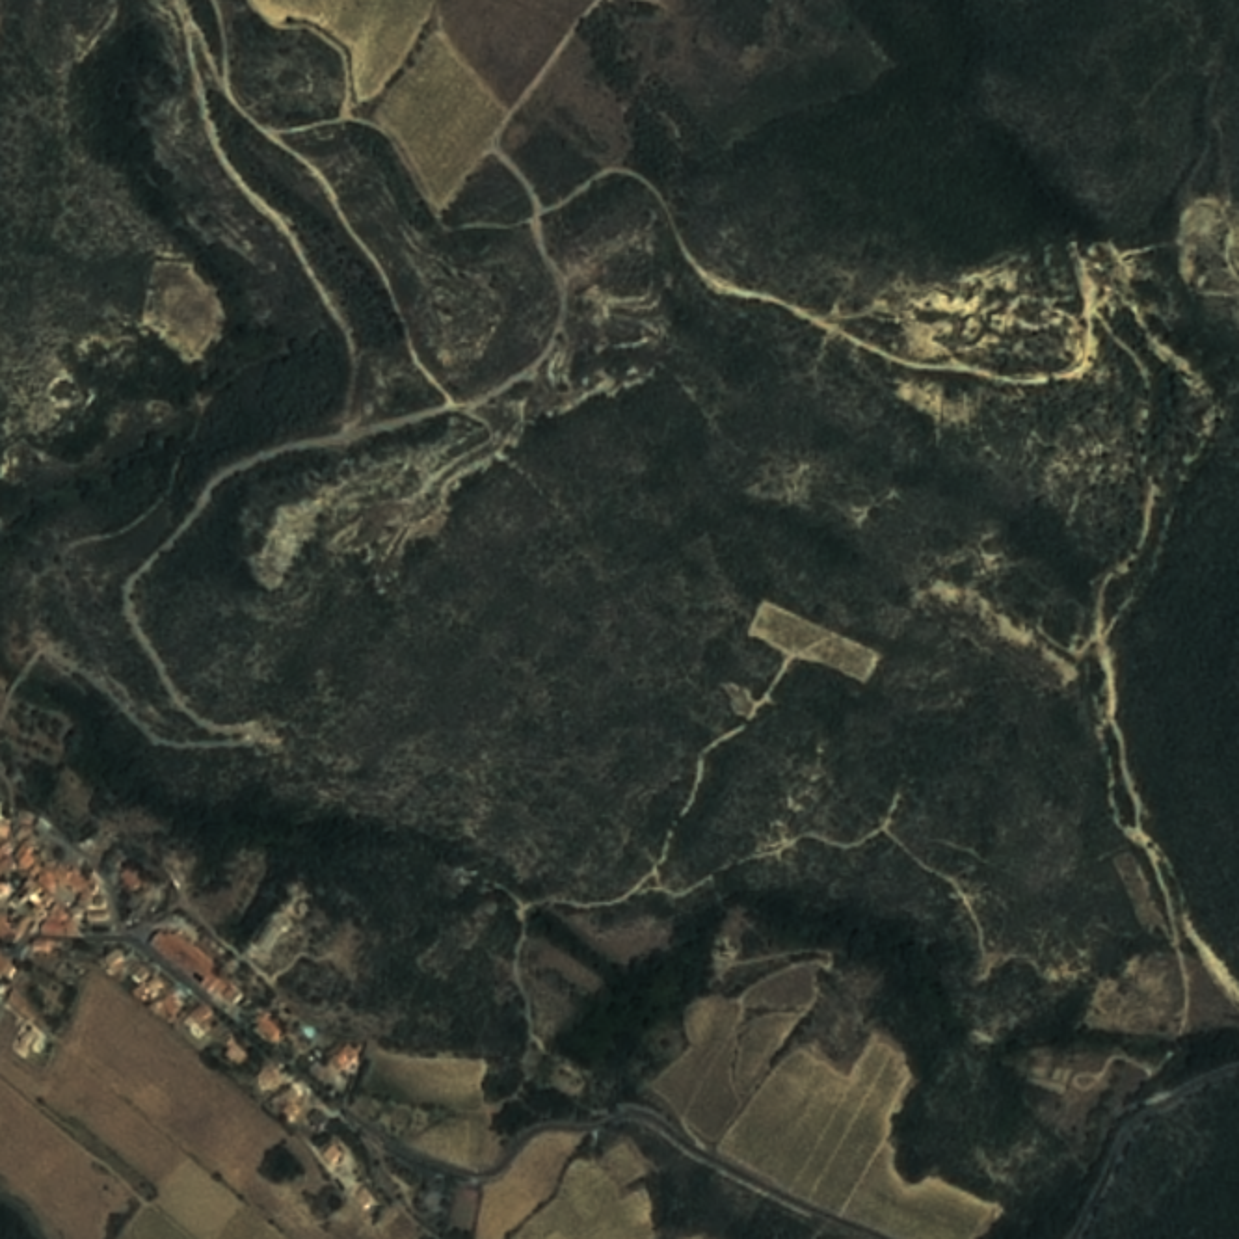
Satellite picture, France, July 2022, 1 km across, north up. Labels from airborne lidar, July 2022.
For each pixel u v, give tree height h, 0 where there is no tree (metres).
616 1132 6
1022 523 8
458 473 0
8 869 0
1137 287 9
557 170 0
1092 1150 8
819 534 6
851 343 0
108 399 8
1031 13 6
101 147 7
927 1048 6
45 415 0
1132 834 0
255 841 6
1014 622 7
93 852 0
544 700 0
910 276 0
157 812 8
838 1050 0
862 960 9
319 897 6
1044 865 0
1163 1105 0
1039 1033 8
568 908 6
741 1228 6
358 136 7
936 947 7
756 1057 0
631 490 6
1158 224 6
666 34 0
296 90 0
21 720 10
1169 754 6
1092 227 5
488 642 0
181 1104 0
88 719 9
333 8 0
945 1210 0
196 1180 0
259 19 6
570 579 0
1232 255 0
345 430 0
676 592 0
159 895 0
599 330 0
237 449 7
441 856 7
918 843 0
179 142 0
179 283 0
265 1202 0
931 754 6
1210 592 5
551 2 0
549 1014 0
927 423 6
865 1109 0
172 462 6
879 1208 0
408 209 8
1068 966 0
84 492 10
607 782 0
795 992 0
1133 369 17
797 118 5
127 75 9
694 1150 0
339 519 0
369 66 0
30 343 0
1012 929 0
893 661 0
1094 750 0
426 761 0
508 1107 8
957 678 0
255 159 7
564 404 0
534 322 0
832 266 0
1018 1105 6
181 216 6
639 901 7
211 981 0
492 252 0
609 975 11
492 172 0
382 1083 0
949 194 6
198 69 0
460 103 0
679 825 6
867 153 7
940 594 0
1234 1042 18
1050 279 8
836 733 6
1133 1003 0
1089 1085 0
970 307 0
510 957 6
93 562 0
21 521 9
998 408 12
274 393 8
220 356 9
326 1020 0
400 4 0
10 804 6
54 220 6
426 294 0
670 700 6
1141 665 6
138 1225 0
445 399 0
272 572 0
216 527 6
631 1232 0
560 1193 0
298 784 7
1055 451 10
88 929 7
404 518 0
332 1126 7
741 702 0
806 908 9
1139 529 11
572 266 0
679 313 6
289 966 0
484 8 0
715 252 0
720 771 6
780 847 0
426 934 6
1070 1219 11
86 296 0
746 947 7
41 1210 0
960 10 8
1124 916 0
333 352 6
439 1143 0
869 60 0
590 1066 6
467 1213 0
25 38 7
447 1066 0
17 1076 0
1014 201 6
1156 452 8
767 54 0
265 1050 10
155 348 6
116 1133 0
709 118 0
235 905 0
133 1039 0
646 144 9
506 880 6
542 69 0
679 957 7
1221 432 9
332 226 8
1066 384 11
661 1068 6
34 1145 0
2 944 8
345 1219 0
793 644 0
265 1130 0
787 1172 0
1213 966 0
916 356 0
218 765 6
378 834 11
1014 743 6
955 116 6
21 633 0
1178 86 6
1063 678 0
